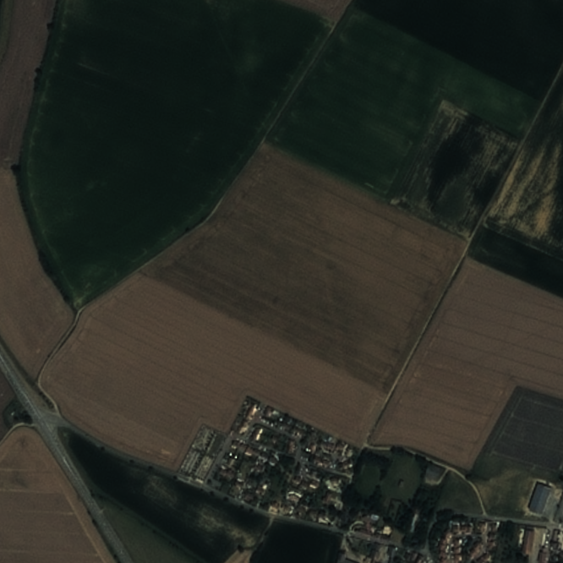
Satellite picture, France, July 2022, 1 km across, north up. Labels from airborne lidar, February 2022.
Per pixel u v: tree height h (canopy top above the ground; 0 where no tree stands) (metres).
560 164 0
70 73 0
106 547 0
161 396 0
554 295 0
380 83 0
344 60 0
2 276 0
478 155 0
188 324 0
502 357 0
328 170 0
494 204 0
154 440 0
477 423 0
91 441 0
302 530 0
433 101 0
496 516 0
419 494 12
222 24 0
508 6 0
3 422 0
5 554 0
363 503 8
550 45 0
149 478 0
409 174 0
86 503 0
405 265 0
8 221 0
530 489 0
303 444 8
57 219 0
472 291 0
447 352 0
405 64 0
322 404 0
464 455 0
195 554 0
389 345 0
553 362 0
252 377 0
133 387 0
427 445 0
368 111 0
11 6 0
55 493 0
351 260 0
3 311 0
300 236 0
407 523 10
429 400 0
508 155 0
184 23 0
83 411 0
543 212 0
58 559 0
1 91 0
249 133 0
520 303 0
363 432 0
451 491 0
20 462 0
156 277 0
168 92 0
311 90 0
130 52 0
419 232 0
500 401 0
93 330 0
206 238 0
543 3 0
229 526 0
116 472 0
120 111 0
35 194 0
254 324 0
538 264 0
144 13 0
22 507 0
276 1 0
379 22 0
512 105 0
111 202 0
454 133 0
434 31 0
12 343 0
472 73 0
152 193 0
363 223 0
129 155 0
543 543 0
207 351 0
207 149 0
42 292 0
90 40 0
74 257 0
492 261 0
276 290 0
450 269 0
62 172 0
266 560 0
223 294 0
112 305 0
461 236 0
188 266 0
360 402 0
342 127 0
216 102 0
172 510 0
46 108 0
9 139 0
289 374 0
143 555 0
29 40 0
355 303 0
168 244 0
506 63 0
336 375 0
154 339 0
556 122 0
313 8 0
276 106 0
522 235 0
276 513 0
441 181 0
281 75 0
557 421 0
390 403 0
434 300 0
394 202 0
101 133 0
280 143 0
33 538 0
